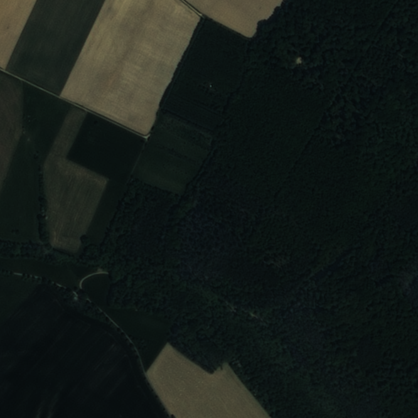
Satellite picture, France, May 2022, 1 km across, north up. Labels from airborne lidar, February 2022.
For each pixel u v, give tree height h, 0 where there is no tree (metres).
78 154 0
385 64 24
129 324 0
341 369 29
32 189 0
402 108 23
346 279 33
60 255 21
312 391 21
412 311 21
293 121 17
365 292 27
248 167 20
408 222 15
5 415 0
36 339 0
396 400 11
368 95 29
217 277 17
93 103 0
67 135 0
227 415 0
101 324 0
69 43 0
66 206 0
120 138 0
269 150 19
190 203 25
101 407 0
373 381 12
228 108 20
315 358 10
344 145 26
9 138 0
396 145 29
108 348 0
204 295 17
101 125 0
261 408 0
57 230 0
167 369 0
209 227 32
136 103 0
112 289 14
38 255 16
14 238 0
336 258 0
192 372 0
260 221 17
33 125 0
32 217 0
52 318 0
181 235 33
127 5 0
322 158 18
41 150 0
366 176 15
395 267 25
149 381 0
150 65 0
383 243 29
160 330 0
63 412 0
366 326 26
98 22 0
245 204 21
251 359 10
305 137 17
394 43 26
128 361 0
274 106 18
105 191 0
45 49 0
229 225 17
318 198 18
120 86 0
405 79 33
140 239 16
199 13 0
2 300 0
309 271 15
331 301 31
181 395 0
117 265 24
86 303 15
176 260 24
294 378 11
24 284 0
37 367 0
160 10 0
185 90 0
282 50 30
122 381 0
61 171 0
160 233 28
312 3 24
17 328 0
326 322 28
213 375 0
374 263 29
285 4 17
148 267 15
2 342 0
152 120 0
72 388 0
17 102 0
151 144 0
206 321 21
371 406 15
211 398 0
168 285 27
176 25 0
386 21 21
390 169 24
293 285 21
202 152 0
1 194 0
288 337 23
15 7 0
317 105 17
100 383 0
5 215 0
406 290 28
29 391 0
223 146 19
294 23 28
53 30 0
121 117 0
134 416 0
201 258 13
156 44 0
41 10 0
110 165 0
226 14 0
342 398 19
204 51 0
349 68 25
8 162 0
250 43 18
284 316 30
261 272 18
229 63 0
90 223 0
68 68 0
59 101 0
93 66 0
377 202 18
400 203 14
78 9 0
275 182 18
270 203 20
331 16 27
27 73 0
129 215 15
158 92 0
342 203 19
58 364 0
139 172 0
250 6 0
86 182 0
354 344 14
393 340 13
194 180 12
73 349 0
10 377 0
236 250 17
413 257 21
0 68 0
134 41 0
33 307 0
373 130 29
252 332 11
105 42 0
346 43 28
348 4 21
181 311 14
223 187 20
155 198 17
